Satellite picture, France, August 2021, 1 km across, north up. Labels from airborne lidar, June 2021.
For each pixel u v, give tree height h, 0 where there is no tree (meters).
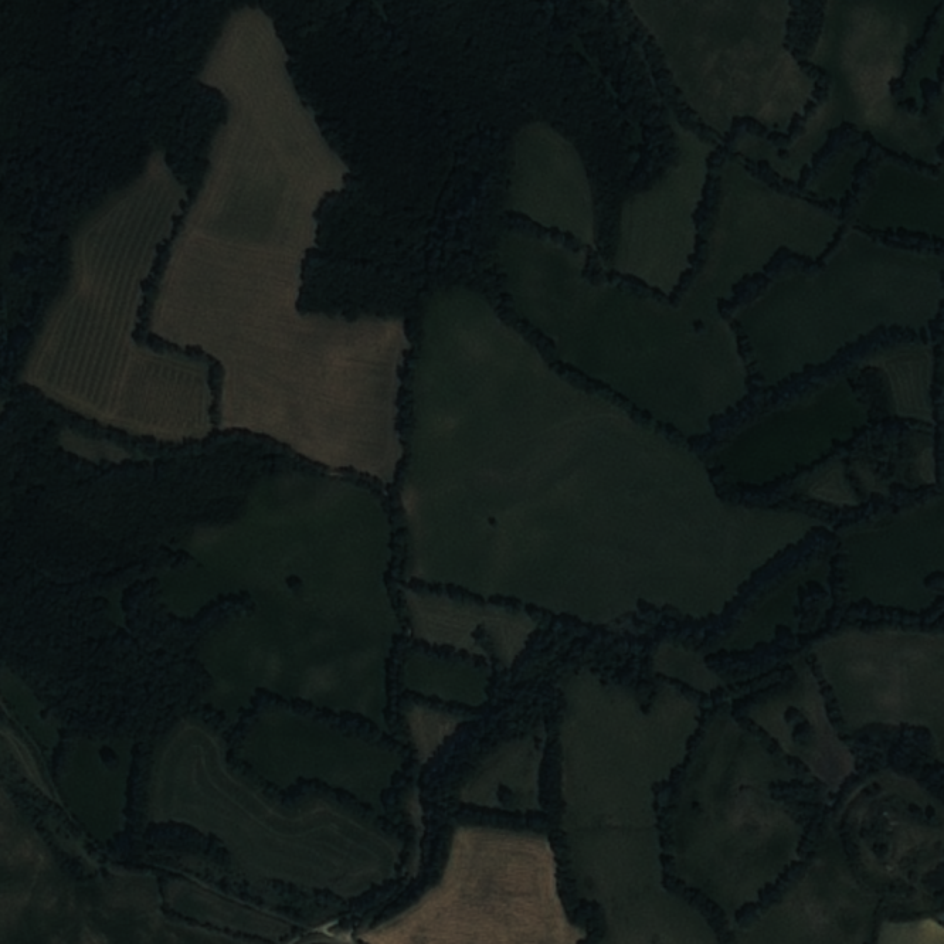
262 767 0
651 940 0
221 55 0
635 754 0
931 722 0
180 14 28
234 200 0
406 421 15
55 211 24
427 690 0
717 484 15
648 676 6
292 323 0
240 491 22
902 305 0
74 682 18
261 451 17
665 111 17
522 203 0
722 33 0
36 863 0
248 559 0
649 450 0
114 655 25
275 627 0
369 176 14
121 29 27
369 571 0
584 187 0
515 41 26
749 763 0
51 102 25
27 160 27
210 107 18
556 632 18
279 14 21
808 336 0
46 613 25
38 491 16
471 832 0
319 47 20
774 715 0
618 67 10
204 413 0
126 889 0
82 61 24
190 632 20
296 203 0
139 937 0
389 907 11
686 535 0
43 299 17
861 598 0
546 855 0
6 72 21
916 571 0
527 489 0
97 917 0
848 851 10
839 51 0
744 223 0
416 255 12
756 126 17
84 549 16
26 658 20
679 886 14
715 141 7
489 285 21
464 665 8
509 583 0
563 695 8
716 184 13
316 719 15
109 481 24
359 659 0
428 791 19
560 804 14
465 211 29
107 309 0
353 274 20
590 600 0
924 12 0
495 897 0
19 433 26
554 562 0
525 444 0
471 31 20
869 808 0
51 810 6
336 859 0
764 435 0
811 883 0
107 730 20
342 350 0
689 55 0
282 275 0
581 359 0
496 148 25
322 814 0
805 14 12
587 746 0
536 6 28
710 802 0
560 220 0
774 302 0
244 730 13
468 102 19
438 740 0
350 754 0
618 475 0
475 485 0
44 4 15
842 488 0
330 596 0
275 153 0
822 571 0
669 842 13
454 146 21
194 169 21
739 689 12
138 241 0
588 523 0
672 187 0
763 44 0
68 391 0
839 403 0
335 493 0
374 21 25
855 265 0
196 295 0
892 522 0
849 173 0
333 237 15
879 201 0
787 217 0
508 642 0
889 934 0
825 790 10
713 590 0
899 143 0
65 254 19
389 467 0
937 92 22
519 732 10
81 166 22
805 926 0
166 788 0
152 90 20
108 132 21
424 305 26
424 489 0
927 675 0
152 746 9
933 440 0
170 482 24
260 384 0
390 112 16
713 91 0
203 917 0
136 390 0
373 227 12
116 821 0
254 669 0
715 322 0
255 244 0
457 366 0
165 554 20
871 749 11
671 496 0
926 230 0
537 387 0
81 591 25
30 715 0
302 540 0
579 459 0
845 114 0
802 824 10
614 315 0
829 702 11
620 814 0
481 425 0
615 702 0
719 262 0
